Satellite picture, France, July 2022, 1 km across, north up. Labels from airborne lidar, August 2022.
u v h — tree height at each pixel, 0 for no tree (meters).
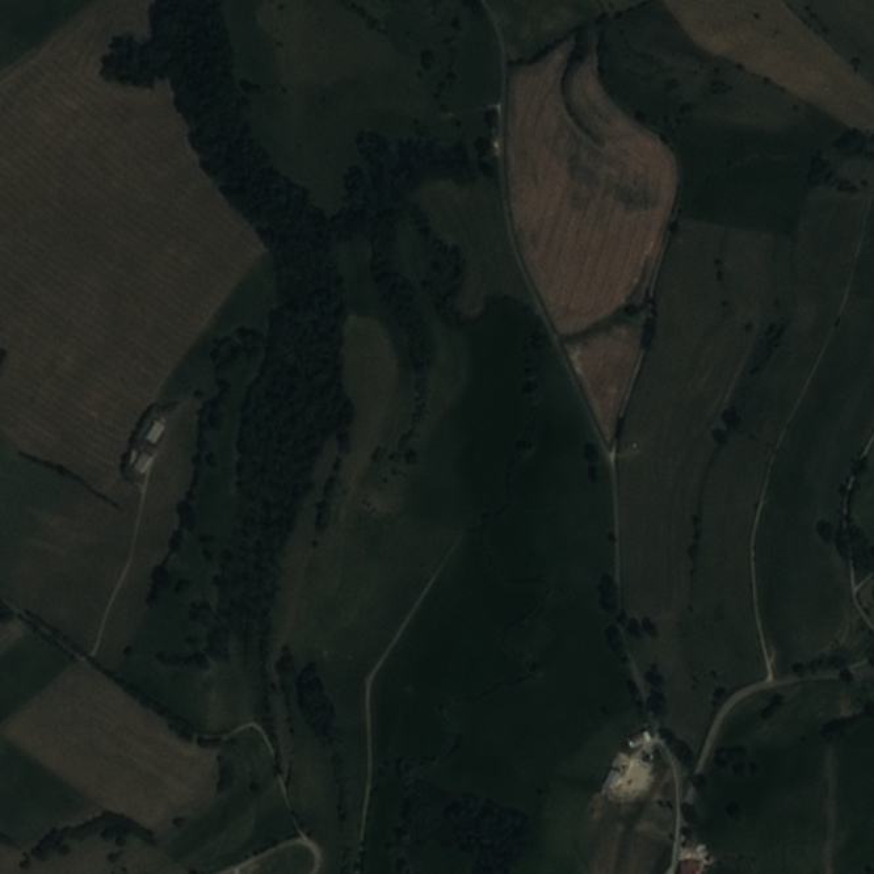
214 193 0
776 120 0
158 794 0
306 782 0
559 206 0
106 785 0
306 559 0
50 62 0
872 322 0
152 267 0
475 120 0
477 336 0
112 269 0
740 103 0
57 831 7
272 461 11
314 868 0
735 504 0
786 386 0
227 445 0
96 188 0
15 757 0
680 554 0
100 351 0
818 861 0
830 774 0
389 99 0
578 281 0
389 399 0
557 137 0
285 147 0
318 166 0
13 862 0
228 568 17
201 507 0
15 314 0
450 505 0
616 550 0
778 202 0
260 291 0
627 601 0
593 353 0
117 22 0
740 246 0
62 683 0
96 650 0
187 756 0
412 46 0
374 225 14
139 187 0
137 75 11
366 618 0
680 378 0
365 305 0
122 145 0
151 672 0
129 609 0
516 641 0
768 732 0
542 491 0
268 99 0
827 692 0
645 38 0
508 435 0
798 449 0
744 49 0
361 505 0
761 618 0
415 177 32
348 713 0
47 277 0
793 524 0
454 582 0
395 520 0
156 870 0
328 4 0
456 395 0
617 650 18
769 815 0
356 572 0
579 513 0
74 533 0
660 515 0
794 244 0
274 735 14
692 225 0
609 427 0
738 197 0
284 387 15
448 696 0
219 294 0
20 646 0
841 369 0
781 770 0
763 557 0
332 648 0
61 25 0
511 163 0
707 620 0
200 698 0
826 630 0
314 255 24
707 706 0
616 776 0
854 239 0
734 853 0
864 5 0
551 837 0
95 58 0
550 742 0
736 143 0
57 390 0
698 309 0
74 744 0
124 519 0
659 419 0
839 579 0
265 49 0
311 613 0
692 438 0
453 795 0
